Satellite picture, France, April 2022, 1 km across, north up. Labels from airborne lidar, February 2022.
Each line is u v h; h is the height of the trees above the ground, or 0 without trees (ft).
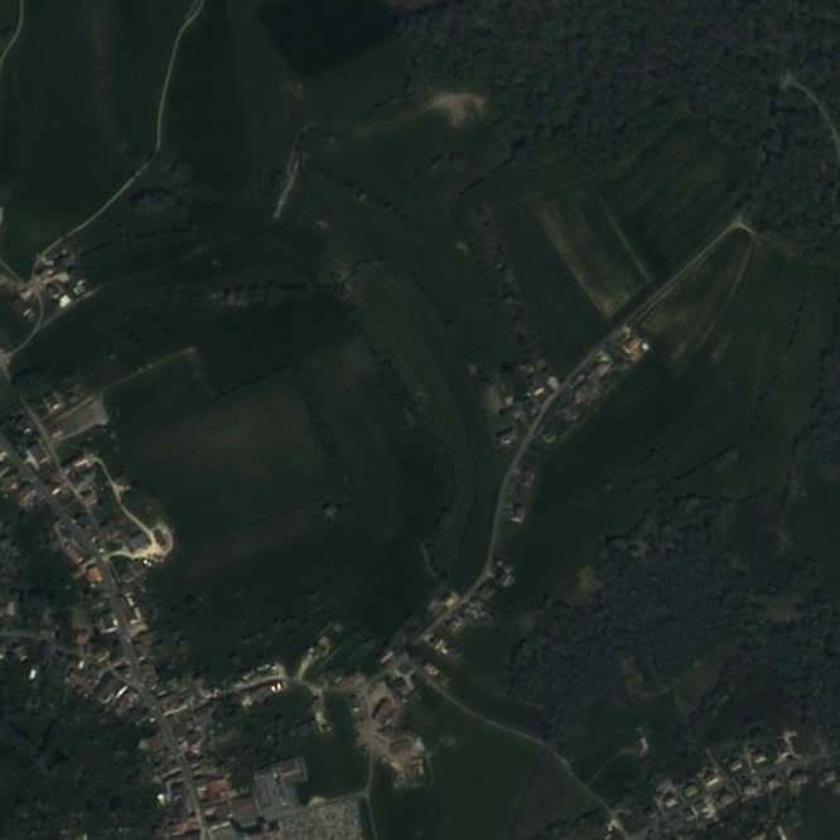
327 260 0
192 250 0
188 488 0
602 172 81
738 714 0
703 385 0
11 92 0
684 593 73
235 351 0
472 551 0
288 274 0
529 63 96
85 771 0
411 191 0
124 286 0
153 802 0
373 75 0
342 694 0
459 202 0
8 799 0
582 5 85
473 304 0
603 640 57
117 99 0
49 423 0
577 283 0
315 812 0
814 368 0
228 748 0
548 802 0
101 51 0
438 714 0
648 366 0
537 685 69
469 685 0
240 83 0
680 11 76
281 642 0
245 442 0
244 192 0
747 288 0
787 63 0
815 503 0
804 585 54
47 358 0
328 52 0
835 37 93
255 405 0
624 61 82
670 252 0
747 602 67
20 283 0
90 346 0
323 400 0
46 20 0
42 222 0
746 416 0
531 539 0
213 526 0
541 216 0
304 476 0
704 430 0
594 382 0
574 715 65
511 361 0
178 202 54
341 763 0
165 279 0
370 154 0
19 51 0
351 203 0
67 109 0
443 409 0
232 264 0
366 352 0
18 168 0
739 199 0
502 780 0
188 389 0
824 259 83
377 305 0
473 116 0
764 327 0
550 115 90
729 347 0
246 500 0
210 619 0
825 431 69
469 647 0
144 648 0
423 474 0
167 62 0
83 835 0
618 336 0
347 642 0
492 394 0
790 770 0
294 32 0
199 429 0
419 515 0
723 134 52
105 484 22
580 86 86
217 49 0
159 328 0
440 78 78
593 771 0
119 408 0
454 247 0
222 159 0
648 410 0
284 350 0
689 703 0
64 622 29
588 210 0
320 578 0
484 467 0
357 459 0
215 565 0
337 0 0
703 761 0
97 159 0
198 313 0
